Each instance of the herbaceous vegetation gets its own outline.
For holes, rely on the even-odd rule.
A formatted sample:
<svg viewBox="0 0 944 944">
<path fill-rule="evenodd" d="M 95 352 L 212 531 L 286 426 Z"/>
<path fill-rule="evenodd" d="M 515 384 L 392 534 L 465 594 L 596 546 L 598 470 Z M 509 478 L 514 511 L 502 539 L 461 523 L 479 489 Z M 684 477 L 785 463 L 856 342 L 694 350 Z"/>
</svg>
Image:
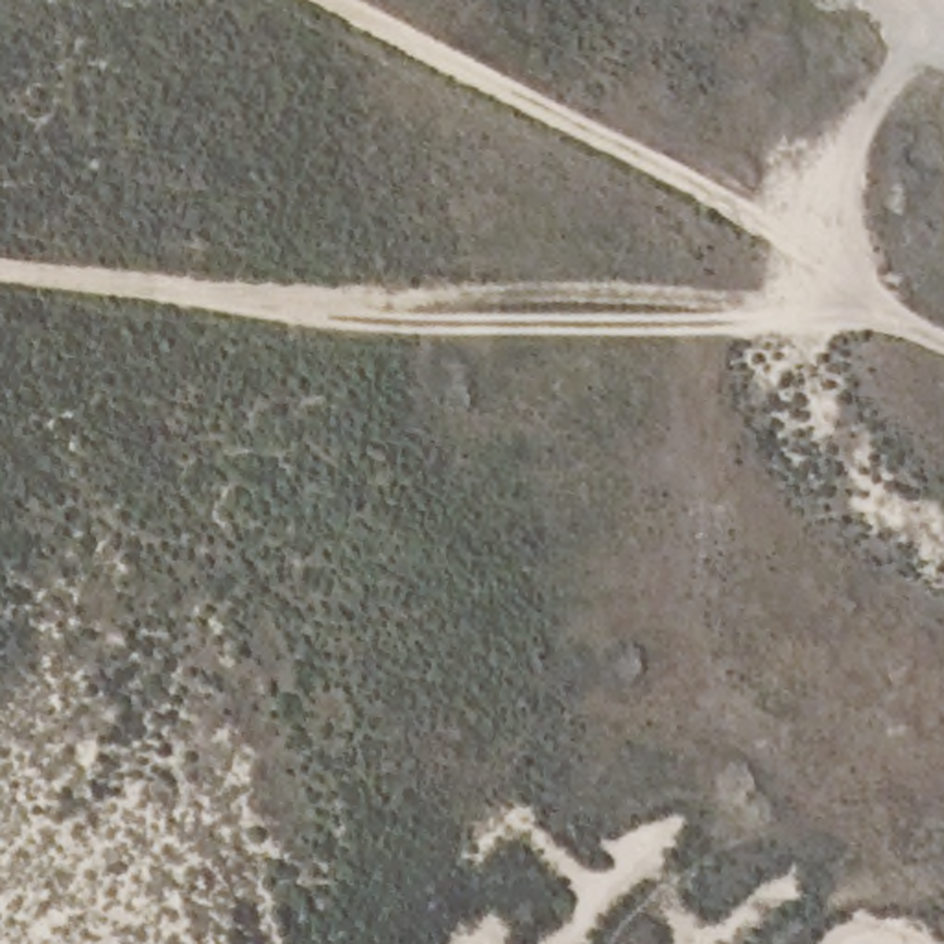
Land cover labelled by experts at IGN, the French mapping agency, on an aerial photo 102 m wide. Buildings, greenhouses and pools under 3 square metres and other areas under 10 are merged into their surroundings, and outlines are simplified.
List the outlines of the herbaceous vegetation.
<svg viewBox="0 0 944 944">
<path fill-rule="evenodd" d="M 830 435 L 841 450 L 848 476 L 863 472 L 878 487 L 900 494 L 903 502 L 933 502 L 944 509 L 944 354 L 892 332 L 837 332 L 815 361 L 800 361 L 793 369 L 804 384 L 819 384 L 837 398 Z"/>
<path fill-rule="evenodd" d="M 387 100 L 391 114 L 402 125 L 439 129 L 431 136 L 428 184 L 450 203 L 450 218 L 461 240 L 457 258 L 472 269 L 502 266 L 502 280 L 631 280 L 715 291 L 760 291 L 767 284 L 771 243 L 719 214 L 715 207 L 704 207 L 697 195 L 564 129 L 538 122 L 535 114 L 468 81 L 457 81 L 454 74 L 402 52 L 398 44 L 369 30 L 358 30 L 350 44 L 372 55 L 376 63 L 365 77 L 365 89 L 358 92 L 358 107 Z"/>
<path fill-rule="evenodd" d="M 664 863 L 649 878 L 653 903 L 664 915 L 686 907 L 693 918 L 712 926 L 738 911 L 760 885 L 774 878 L 797 878 L 797 900 L 771 907 L 760 918 L 760 926 L 741 929 L 734 940 L 723 944 L 819 944 L 833 926 L 844 926 L 856 915 L 918 922 L 929 929 L 937 944 L 944 944 L 944 561 L 937 564 L 937 575 L 926 579 L 915 542 L 900 542 L 892 527 L 867 524 L 863 513 L 852 513 L 852 498 L 867 494 L 848 479 L 837 487 L 837 498 L 800 498 L 804 516 L 793 516 L 785 513 L 778 494 L 771 494 L 760 454 L 745 454 L 745 465 L 734 465 L 730 446 L 741 435 L 741 420 L 734 420 L 719 406 L 715 380 L 723 369 L 723 350 L 734 336 L 417 336 L 420 343 L 409 387 L 413 413 L 406 420 L 409 431 L 417 439 L 446 446 L 454 468 L 472 468 L 472 461 L 479 461 L 483 443 L 490 439 L 513 443 L 524 435 L 531 450 L 527 461 L 509 476 L 509 483 L 531 487 L 535 509 L 542 513 L 542 527 L 549 527 L 553 520 L 583 520 L 597 535 L 590 549 L 594 575 L 586 583 L 590 612 L 575 612 L 553 638 L 557 656 L 535 667 L 538 712 L 524 756 L 535 756 L 538 767 L 531 771 L 531 782 L 542 782 L 546 793 L 535 793 L 524 808 L 531 808 L 538 826 L 575 863 L 590 870 L 612 867 L 605 841 L 620 841 L 638 826 L 679 815 L 682 830 L 675 844 L 664 852 Z"/>
<path fill-rule="evenodd" d="M 269 863 L 291 863 L 299 870 L 299 885 L 306 889 L 336 885 L 332 863 L 313 852 L 313 841 L 328 841 L 339 822 L 347 822 L 347 804 L 310 804 L 306 789 L 336 789 L 336 774 L 317 778 L 317 752 L 354 752 L 354 778 L 365 778 L 361 741 L 376 738 L 380 712 L 387 704 L 372 701 L 358 682 L 361 656 L 347 631 L 347 620 L 325 616 L 321 590 L 310 590 L 302 583 L 291 505 L 277 505 L 269 487 L 254 479 L 240 479 L 247 468 L 247 446 L 236 446 L 229 431 L 214 431 L 210 417 L 188 417 L 184 409 L 173 409 L 166 420 L 170 439 L 155 439 L 151 450 L 166 454 L 177 465 L 177 483 L 166 487 L 166 516 L 155 516 L 148 527 L 122 520 L 122 502 L 111 502 L 103 490 L 92 490 L 89 476 L 81 476 L 81 450 L 70 450 L 63 461 L 66 483 L 77 487 L 77 498 L 41 505 L 33 498 L 18 516 L 18 527 L 41 535 L 41 546 L 33 546 L 26 572 L 15 568 L 15 561 L 4 561 L 4 579 L 33 597 L 22 605 L 0 605 L 0 620 L 33 627 L 41 653 L 41 667 L 30 671 L 26 686 L 15 686 L 11 701 L 0 708 L 0 944 L 284 944 L 277 903 L 266 885 Z"/>
<path fill-rule="evenodd" d="M 756 199 L 763 192 L 771 144 L 822 140 L 837 129 L 848 107 L 867 96 L 874 74 L 885 63 L 885 37 L 881 26 L 856 7 L 859 0 L 380 0 L 395 18 L 409 22 L 413 30 L 712 177 L 715 184 L 745 199 Z"/>
<path fill-rule="evenodd" d="M 745 365 L 752 372 L 785 354 L 785 339 L 778 332 L 767 332 L 741 339 Z"/>
<path fill-rule="evenodd" d="M 944 70 L 922 66 L 896 96 L 896 103 L 889 107 L 870 140 L 863 188 L 863 218 L 878 254 L 881 284 L 892 295 L 900 295 L 907 310 L 944 328 Z"/>
<path fill-rule="evenodd" d="M 682 313 L 679 302 L 450 299 L 417 302 L 420 313 Z"/>
</svg>

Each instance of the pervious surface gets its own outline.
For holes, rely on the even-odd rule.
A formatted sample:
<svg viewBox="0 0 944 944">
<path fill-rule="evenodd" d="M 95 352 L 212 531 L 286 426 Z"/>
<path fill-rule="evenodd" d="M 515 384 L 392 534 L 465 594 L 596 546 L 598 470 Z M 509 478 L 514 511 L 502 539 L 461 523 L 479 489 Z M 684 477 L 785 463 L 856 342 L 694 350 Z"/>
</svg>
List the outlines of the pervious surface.
<svg viewBox="0 0 944 944">
<path fill-rule="evenodd" d="M 734 940 L 741 929 L 760 926 L 760 918 L 771 907 L 797 900 L 797 878 L 774 878 L 760 885 L 738 911 L 712 926 L 693 918 L 686 907 L 664 915 L 675 944 L 723 944 Z"/>
<path fill-rule="evenodd" d="M 903 502 L 900 494 L 878 487 L 863 472 L 848 476 L 848 479 L 867 494 L 852 498 L 852 513 L 863 513 L 867 524 L 892 527 L 900 542 L 915 542 L 926 579 L 937 575 L 937 564 L 944 561 L 944 509 L 933 502 Z"/>
<path fill-rule="evenodd" d="M 896 103 L 896 96 L 922 66 L 944 70 L 944 0 L 859 0 L 856 7 L 881 26 L 885 37 L 885 63 L 874 74 L 867 96 L 848 107 L 837 129 L 822 140 L 771 144 L 763 192 L 756 199 L 745 199 L 715 184 L 712 177 L 413 30 L 409 22 L 395 18 L 380 0 L 328 0 L 325 11 L 347 18 L 358 30 L 369 30 L 398 44 L 402 52 L 454 74 L 457 81 L 468 81 L 535 114 L 538 122 L 564 129 L 697 195 L 704 207 L 715 207 L 719 214 L 771 243 L 767 284 L 760 291 L 715 291 L 631 280 L 502 280 L 395 291 L 372 284 L 321 288 L 195 280 L 170 273 L 0 258 L 0 280 L 92 295 L 155 299 L 173 306 L 225 310 L 240 317 L 328 332 L 417 336 L 734 336 L 741 339 L 767 332 L 778 332 L 785 339 L 785 354 L 752 372 L 752 380 L 782 402 L 804 395 L 815 439 L 830 435 L 837 398 L 819 384 L 804 384 L 793 369 L 800 361 L 815 361 L 837 332 L 892 332 L 944 354 L 944 328 L 907 310 L 900 295 L 892 295 L 881 284 L 878 254 L 863 218 L 863 188 L 870 140 L 889 107 Z M 450 299 L 679 302 L 682 313 L 420 313 L 417 302 Z"/>
<path fill-rule="evenodd" d="M 476 929 L 457 929 L 454 944 L 505 944 L 505 922 L 487 915 Z"/>
<path fill-rule="evenodd" d="M 856 915 L 844 926 L 833 926 L 819 944 L 937 944 L 929 929 L 918 922 Z"/>
<path fill-rule="evenodd" d="M 524 808 L 494 811 L 476 830 L 476 863 L 487 863 L 498 841 L 527 837 L 531 848 L 561 878 L 572 881 L 575 915 L 538 944 L 586 944 L 597 915 L 605 915 L 608 903 L 620 900 L 634 881 L 649 878 L 664 863 L 664 852 L 675 844 L 682 830 L 679 815 L 638 826 L 620 841 L 605 841 L 612 867 L 590 870 L 575 863 L 538 826 L 531 808 Z"/>
</svg>

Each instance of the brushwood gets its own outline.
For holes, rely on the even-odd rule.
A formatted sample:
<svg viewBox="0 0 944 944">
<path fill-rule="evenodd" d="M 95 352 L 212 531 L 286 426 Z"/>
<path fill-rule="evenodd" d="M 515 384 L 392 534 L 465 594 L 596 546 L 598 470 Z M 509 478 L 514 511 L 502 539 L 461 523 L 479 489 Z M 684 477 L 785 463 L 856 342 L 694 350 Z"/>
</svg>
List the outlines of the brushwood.
<svg viewBox="0 0 944 944">
<path fill-rule="evenodd" d="M 800 498 L 837 498 L 837 487 L 848 479 L 848 476 L 841 450 L 830 435 L 815 439 L 804 395 L 782 402 L 752 380 L 752 372 L 745 365 L 741 339 L 734 336 L 723 350 L 723 369 L 715 380 L 719 406 L 734 420 L 741 420 L 741 435 L 730 446 L 734 465 L 745 465 L 745 454 L 760 454 L 771 494 L 778 494 L 785 513 L 793 516 L 804 516 Z"/>
<path fill-rule="evenodd" d="M 0 708 L 11 701 L 15 686 L 26 686 L 30 671 L 41 667 L 41 653 L 33 627 L 0 620 Z"/>
<path fill-rule="evenodd" d="M 122 520 L 148 527 L 155 516 L 166 516 L 166 487 L 177 483 L 177 465 L 166 454 L 151 450 L 155 439 L 170 439 L 166 420 L 173 409 L 184 409 L 188 417 L 210 417 L 214 431 L 229 431 L 236 446 L 247 446 L 247 468 L 240 479 L 254 479 L 269 487 L 277 505 L 291 505 L 302 583 L 310 590 L 321 590 L 325 616 L 347 620 L 347 631 L 361 656 L 358 682 L 372 701 L 387 704 L 380 712 L 376 738 L 361 741 L 365 778 L 354 778 L 354 752 L 317 752 L 317 778 L 336 774 L 336 789 L 306 789 L 310 804 L 347 804 L 347 822 L 339 822 L 328 841 L 313 841 L 313 852 L 332 863 L 336 885 L 306 889 L 299 885 L 299 870 L 291 863 L 269 863 L 266 885 L 277 903 L 284 944 L 454 944 L 457 929 L 476 929 L 487 915 L 505 922 L 505 944 L 538 944 L 575 915 L 572 881 L 561 878 L 531 848 L 527 837 L 498 841 L 487 863 L 476 863 L 476 830 L 494 811 L 524 808 L 535 793 L 546 793 L 542 782 L 531 782 L 531 771 L 538 767 L 535 756 L 524 756 L 538 712 L 535 667 L 557 656 L 553 638 L 575 612 L 590 612 L 586 583 L 594 575 L 590 549 L 597 535 L 583 520 L 553 520 L 549 527 L 542 527 L 542 513 L 535 509 L 531 487 L 509 483 L 509 476 L 527 461 L 531 450 L 524 435 L 513 443 L 490 439 L 483 443 L 479 461 L 472 461 L 472 468 L 454 468 L 446 446 L 417 439 L 409 431 L 406 420 L 413 413 L 409 387 L 420 343 L 417 336 L 328 332 L 240 317 L 225 310 L 173 306 L 155 299 L 92 295 L 0 280 L 0 605 L 22 605 L 33 597 L 4 579 L 4 561 L 15 561 L 15 568 L 26 572 L 33 546 L 41 546 L 41 535 L 18 527 L 18 516 L 33 498 L 41 505 L 77 498 L 77 487 L 66 483 L 63 461 L 70 450 L 81 450 L 81 476 L 89 476 L 92 490 L 103 490 L 111 502 L 122 502 Z"/>
<path fill-rule="evenodd" d="M 608 903 L 605 915 L 597 915 L 586 944 L 675 944 L 664 915 L 653 903 L 649 878 L 634 881 L 620 900 Z"/>
<path fill-rule="evenodd" d="M 365 77 L 376 63 L 372 55 L 350 44 L 358 30 L 347 18 L 325 11 L 328 0 L 0 0 L 0 258 L 170 273 L 195 280 L 321 288 L 372 284 L 395 291 L 502 280 L 502 266 L 472 269 L 457 258 L 461 240 L 450 218 L 450 203 L 428 184 L 431 136 L 439 129 L 402 125 L 391 114 L 387 100 L 358 107 L 358 92 L 365 89 Z"/>
</svg>

